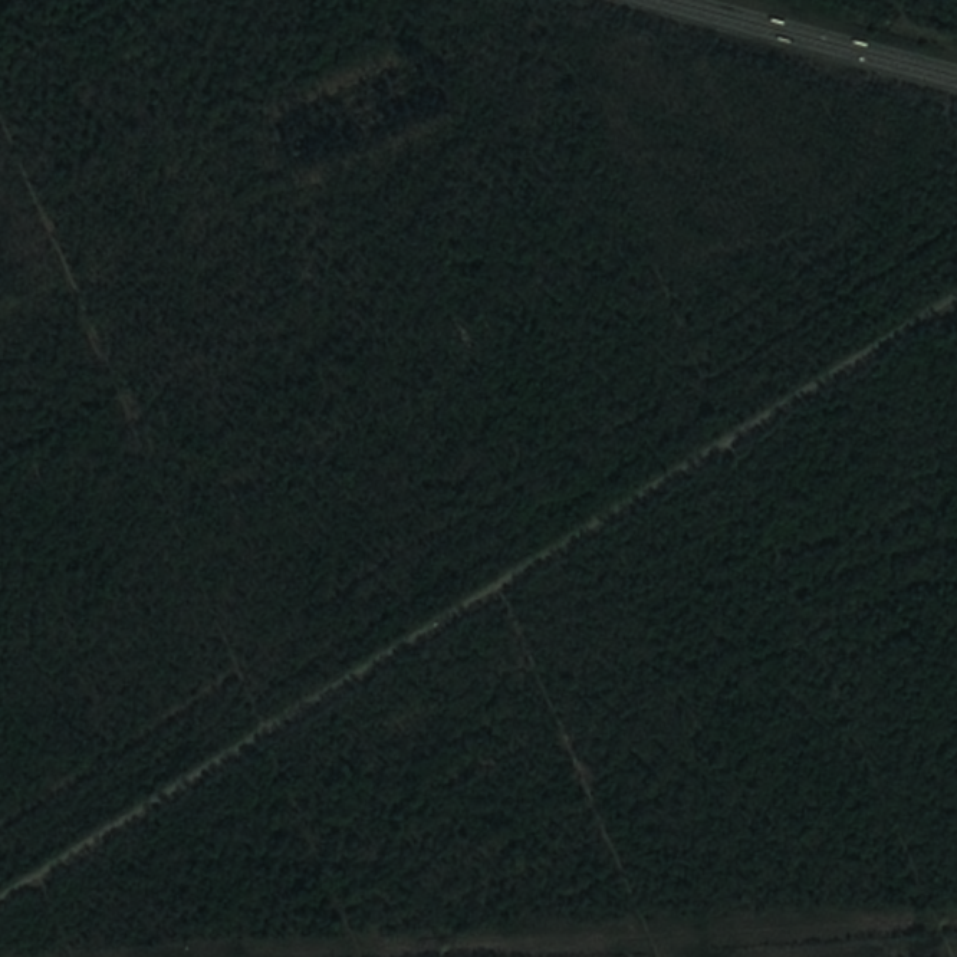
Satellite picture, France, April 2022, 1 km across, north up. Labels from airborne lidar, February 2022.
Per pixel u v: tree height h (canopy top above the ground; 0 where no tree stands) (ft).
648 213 49
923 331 62
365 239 42
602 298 66
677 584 68
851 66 0
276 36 64
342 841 60
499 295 52
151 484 56
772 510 62
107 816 60
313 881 61
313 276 29
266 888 63
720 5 0
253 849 59
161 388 54
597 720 66
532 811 63
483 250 61
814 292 47
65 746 55
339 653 53
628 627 66
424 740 65
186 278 42
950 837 53
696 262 44
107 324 31
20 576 67
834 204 40
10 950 54
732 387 53
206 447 47
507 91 28
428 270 63
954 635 62
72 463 58
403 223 34
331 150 70
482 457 62
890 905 31
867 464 63
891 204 51
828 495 64
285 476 50
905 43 0
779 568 59
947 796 57
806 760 63
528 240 60
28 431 43
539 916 57
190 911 40
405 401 56
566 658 50
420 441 57
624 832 64
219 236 41
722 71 41
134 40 63
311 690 54
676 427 40
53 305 44
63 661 41
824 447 63
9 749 49
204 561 59
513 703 77
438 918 58
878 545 58
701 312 56
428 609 57
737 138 37
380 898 75
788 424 57
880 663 62
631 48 32
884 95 42
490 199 48
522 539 63
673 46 30
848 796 73
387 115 72
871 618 64
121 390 48
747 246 30
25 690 52
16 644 59
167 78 55
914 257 56
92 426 50
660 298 65
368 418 47
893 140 27
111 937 41
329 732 56
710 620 63
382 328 50
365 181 38
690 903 59
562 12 39
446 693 63
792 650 58
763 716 52
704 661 59
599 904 67
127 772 53
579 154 58
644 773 62
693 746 62
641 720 60
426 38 48
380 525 49
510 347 59
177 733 47
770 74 30
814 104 30
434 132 42
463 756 77
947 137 41
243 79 52
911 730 51
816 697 66
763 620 53
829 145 35
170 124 55
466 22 35
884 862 57
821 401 39
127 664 43
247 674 45
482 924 73
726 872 58
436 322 61
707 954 0
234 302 45
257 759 57
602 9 21
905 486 56
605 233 52
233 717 57
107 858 46
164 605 50
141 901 41
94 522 51
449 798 77
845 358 47
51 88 62
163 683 49
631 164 36
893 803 56
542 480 73
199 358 46
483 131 38
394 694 40
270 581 60
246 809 47
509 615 52
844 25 0
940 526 59
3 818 47
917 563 68
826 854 67
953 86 0
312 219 50
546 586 48
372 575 52
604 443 65
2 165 34
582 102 35
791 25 0
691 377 56
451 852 72
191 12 39
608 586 49
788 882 57
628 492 52
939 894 55
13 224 38
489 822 58
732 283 51
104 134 57
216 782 48
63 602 46
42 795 51
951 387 55
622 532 64
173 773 45
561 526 58
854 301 50
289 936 46
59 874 44
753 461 44
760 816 60
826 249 47
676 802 57
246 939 42
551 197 53
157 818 43
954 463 53
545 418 58
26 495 43
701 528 68
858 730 62
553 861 45
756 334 50
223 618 53
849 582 53
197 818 52
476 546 57
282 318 58
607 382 56
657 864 66
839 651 59
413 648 44
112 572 41
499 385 61
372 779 65
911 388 62
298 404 43
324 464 51
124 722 40
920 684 67
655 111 35
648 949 0
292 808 65
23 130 21
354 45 45
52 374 47
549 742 54
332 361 55
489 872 53
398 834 58
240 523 52
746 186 30
